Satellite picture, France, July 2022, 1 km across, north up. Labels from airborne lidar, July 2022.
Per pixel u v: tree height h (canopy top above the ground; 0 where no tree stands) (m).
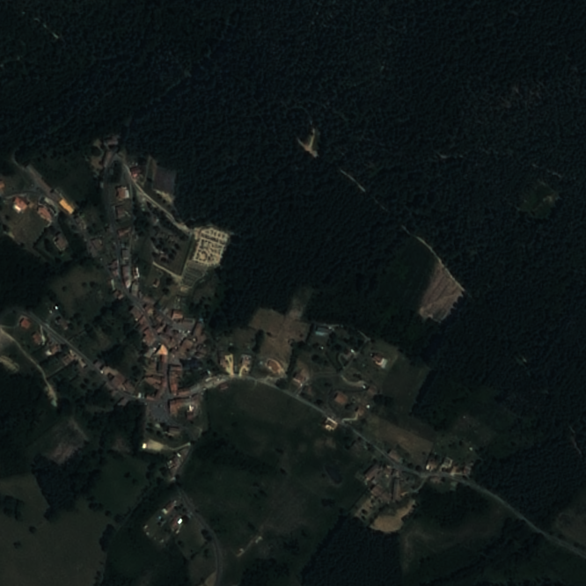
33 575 0
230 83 32
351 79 17
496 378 26
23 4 9
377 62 16
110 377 7
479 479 13
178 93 23
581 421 14
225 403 0
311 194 19
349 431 11
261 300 20
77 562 0
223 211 23
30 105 10
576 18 19
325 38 23
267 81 26
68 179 0
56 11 9
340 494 0
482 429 0
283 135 26
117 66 23
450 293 0
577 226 20
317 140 0
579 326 27
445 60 16
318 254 26
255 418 0
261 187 30
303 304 0
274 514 0
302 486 0
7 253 6
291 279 26
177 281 0
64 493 29
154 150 27
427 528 0
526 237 20
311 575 20
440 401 11
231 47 24
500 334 23
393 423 0
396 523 0
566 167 22
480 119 18
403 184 19
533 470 22
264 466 6
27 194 0
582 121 22
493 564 14
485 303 13
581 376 20
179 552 0
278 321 0
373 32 19
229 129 14
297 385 0
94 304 0
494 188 26
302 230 28
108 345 0
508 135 17
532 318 21
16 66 21
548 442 14
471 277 19
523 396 24
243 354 0
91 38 27
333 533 22
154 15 22
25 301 11
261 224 23
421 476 0
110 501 0
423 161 17
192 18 12
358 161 24
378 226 33
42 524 0
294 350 7
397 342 7
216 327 29
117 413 14
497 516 0
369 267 32
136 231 10
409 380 0
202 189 13
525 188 25
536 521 14
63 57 29
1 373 16
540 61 20
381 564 24
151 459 17
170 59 21
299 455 0
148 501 6
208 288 0
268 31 22
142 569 0
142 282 0
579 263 19
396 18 8
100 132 11
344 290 7
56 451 0
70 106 26
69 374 0
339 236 31
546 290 20
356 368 0
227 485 0
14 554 0
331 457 0
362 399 0
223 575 0
